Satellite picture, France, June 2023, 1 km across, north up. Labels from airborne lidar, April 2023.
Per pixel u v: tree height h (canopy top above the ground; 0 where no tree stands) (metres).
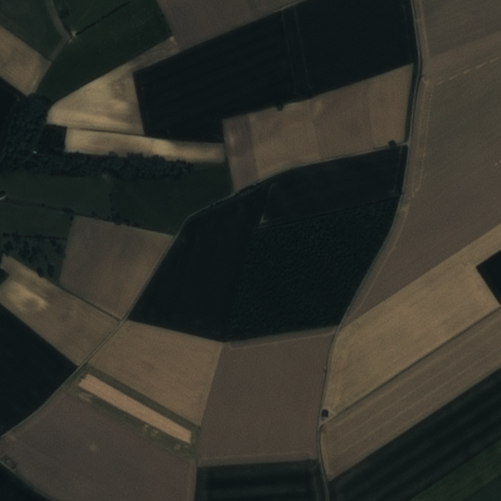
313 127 0
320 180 0
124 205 0
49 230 0
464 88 0
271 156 0
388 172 0
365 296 0
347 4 0
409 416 0
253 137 0
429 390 0
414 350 0
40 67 0
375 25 0
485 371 0
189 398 0
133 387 0
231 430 0
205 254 0
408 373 0
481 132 0
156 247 0
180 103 0
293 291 7
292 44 0
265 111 0
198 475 0
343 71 0
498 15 0
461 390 0
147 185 0
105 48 0
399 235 0
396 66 0
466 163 0
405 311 0
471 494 0
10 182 0
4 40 0
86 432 0
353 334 0
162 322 0
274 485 0
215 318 0
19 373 0
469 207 0
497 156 0
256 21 0
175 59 0
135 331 0
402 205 0
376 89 0
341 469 0
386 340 0
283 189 0
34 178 0
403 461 0
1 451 0
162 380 0
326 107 0
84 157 10
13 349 0
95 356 0
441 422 0
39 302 0
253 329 7
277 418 0
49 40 0
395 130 0
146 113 0
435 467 0
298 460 0
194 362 0
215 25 0
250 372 0
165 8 0
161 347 0
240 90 0
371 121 0
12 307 0
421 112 0
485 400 0
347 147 0
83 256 0
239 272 0
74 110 0
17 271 0
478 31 0
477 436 0
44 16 0
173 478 0
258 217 0
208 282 0
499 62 0
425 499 0
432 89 0
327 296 10
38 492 0
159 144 0
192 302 0
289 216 0
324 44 0
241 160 0
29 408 0
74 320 0
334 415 0
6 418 0
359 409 0
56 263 0
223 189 0
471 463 0
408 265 0
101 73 0
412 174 0
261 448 0
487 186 0
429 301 0
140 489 0
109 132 0
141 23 0
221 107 0
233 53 0
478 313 0
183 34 0
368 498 0
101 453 0
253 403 0
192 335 0
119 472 0
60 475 0
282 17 0
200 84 0
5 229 0
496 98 0
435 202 0
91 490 0
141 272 0
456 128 0
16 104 0
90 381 0
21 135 25
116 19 0
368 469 0
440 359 0
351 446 0
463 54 0
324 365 0
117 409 0
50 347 0
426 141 0
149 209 0
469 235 0
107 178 0
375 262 0
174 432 0
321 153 0
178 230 0
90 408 0
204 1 0
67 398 0
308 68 0
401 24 0
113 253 0
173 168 22
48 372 0
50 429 0
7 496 0
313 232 10
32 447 0
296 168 0
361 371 0
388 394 0
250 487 0
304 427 0
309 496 0
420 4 0
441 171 0
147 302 0
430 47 0
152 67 0
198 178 0
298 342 0
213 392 0
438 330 0
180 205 0
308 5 0
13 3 0
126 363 0
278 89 0
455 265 0
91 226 0
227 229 0
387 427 0
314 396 0
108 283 0
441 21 0
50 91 0
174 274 0
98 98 0
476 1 0
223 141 0
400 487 0
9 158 15
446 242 0
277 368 0
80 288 0
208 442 0
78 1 0
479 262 0
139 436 0
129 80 0
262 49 0
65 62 0
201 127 0
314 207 0
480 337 0
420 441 0
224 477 0
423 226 0
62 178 0
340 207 0
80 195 0
